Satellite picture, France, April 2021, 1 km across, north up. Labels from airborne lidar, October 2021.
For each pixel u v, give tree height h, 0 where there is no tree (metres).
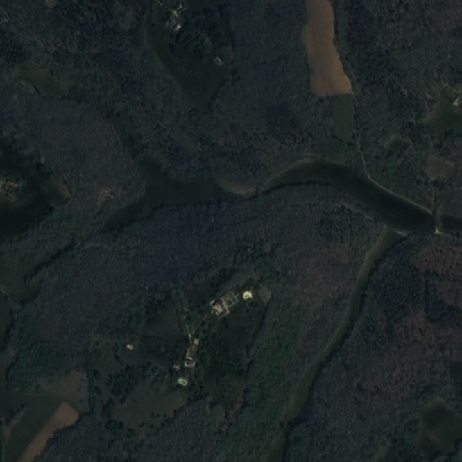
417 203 15
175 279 21
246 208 18
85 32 32
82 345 17
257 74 22
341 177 0
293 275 19
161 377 12
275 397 22
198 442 20
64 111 19
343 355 18
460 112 0
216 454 18
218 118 23
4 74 27
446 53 20
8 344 22
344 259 7
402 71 16
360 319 19
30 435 0
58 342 17
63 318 17
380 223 16
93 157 17
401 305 22
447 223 0
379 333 12
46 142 21
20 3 16
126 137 18
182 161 14
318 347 19
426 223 0
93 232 20
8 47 25
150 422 0
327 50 0
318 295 19
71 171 15
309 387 0
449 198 11
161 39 0
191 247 21
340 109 0
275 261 18
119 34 22
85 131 18
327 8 0
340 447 12
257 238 19
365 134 17
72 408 0
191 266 21
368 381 14
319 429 19
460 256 8
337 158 22
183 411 16
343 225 13
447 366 10
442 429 0
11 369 10
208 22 13
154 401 0
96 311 15
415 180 13
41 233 12
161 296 21
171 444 20
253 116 16
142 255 16
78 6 7
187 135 15
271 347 26
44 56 18
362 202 0
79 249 17
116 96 14
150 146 23
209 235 17
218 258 19
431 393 23
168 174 14
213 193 0
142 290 19
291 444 16
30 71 0
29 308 21
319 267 20
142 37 15
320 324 20
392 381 16
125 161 18
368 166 11
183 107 20
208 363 17
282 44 22
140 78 20
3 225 0
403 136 17
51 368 15
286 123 15
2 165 0
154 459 23
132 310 22
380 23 9
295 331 24
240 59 17
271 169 18
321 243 15
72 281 18
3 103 17
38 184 0
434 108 11
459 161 18
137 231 19
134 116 21
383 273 20
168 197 0
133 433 7
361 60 10
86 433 17
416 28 11
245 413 21
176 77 0
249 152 7
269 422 20
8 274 0
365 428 17
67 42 21
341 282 20
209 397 14
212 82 0
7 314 0
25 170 0
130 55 23
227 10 22
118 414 0
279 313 24
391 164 22
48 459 21
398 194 11
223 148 7
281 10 17
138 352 0
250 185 13
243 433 20
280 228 19
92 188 22
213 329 15
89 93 12
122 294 16
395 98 23
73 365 16
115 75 27
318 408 15
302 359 21
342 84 0
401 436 20
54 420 0
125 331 16
